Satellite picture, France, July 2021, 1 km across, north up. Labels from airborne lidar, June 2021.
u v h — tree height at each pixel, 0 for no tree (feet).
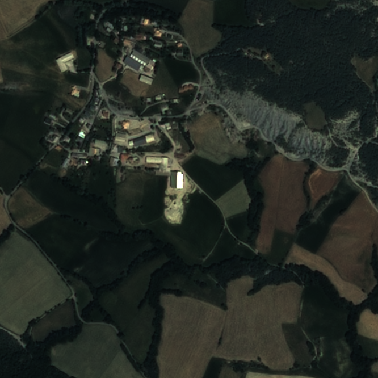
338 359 0
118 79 31
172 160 0
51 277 0
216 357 0
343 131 0
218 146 0
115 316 0
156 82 0
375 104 24
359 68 0
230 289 0
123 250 0
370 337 0
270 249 0
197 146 0
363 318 0
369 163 23
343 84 27
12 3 0
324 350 0
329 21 23
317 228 0
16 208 0
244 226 0
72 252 0
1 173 0
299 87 38
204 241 0
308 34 27
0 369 45
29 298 0
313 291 0
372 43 25
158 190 0
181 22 0
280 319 0
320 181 0
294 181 0
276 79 31
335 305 28
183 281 0
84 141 22
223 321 0
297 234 0
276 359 0
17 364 37
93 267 0
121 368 0
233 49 26
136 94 0
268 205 0
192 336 0
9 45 0
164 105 0
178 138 0
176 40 0
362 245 0
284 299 0
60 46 0
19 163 0
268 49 24
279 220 0
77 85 0
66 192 0
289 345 0
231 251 0
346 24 22
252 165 36
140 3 46
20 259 0
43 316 0
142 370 36
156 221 0
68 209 0
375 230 0
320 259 0
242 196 0
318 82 39
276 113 0
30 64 0
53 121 0
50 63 0
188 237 0
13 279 0
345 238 0
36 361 58
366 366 72
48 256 23
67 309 0
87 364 0
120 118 0
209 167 0
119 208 0
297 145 0
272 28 19
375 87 27
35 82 0
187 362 0
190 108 0
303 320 0
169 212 0
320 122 0
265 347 0
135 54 0
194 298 0
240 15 0
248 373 0
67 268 0
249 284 0
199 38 0
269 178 0
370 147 37
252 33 39
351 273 0
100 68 0
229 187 0
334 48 25
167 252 61
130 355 38
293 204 0
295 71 21
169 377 0
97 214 0
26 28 0
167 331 0
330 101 31
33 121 0
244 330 0
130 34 35
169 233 0
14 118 0
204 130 0
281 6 23
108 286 31
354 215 0
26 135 0
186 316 0
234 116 0
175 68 0
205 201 0
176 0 0
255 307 0
